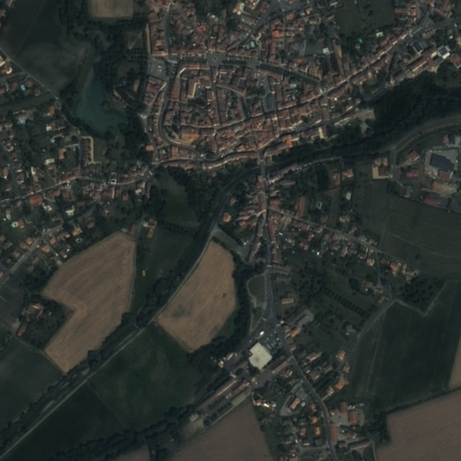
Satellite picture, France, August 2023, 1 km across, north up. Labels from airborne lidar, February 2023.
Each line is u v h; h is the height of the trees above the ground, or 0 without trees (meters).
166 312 0
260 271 17
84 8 11
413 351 0
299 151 18
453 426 0
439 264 0
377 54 0
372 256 7
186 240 0
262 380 0
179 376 0
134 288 0
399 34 0
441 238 0
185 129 0
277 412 0
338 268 5
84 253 0
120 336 0
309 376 6
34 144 14
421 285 12
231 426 0
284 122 0
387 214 0
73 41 0
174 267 0
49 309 14
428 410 0
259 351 0
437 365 0
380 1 0
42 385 0
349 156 10
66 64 0
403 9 0
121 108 0
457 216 0
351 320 0
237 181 0
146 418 0
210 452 0
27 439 0
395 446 0
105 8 0
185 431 0
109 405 0
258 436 0
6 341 13
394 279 0
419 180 0
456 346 0
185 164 0
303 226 0
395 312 0
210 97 0
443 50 0
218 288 0
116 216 0
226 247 9
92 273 0
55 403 0
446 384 0
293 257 0
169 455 15
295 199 9
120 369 0
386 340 0
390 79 8
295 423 10
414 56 19
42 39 0
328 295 12
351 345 0
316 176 18
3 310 0
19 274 0
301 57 0
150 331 0
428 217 0
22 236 0
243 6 0
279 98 0
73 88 14
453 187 0
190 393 0
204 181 8
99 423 0
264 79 0
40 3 0
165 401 0
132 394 0
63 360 0
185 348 0
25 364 0
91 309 0
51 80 0
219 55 0
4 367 0
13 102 6
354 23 0
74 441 0
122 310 0
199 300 0
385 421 9
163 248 0
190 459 0
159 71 0
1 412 0
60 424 0
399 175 0
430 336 0
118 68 9
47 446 0
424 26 0
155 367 0
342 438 0
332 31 0
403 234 0
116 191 0
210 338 0
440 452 0
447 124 0
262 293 0
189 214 0
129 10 0
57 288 0
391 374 0
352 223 9
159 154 0
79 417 0
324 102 0
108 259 0
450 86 0
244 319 22
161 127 0
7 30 0
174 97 0
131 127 14
